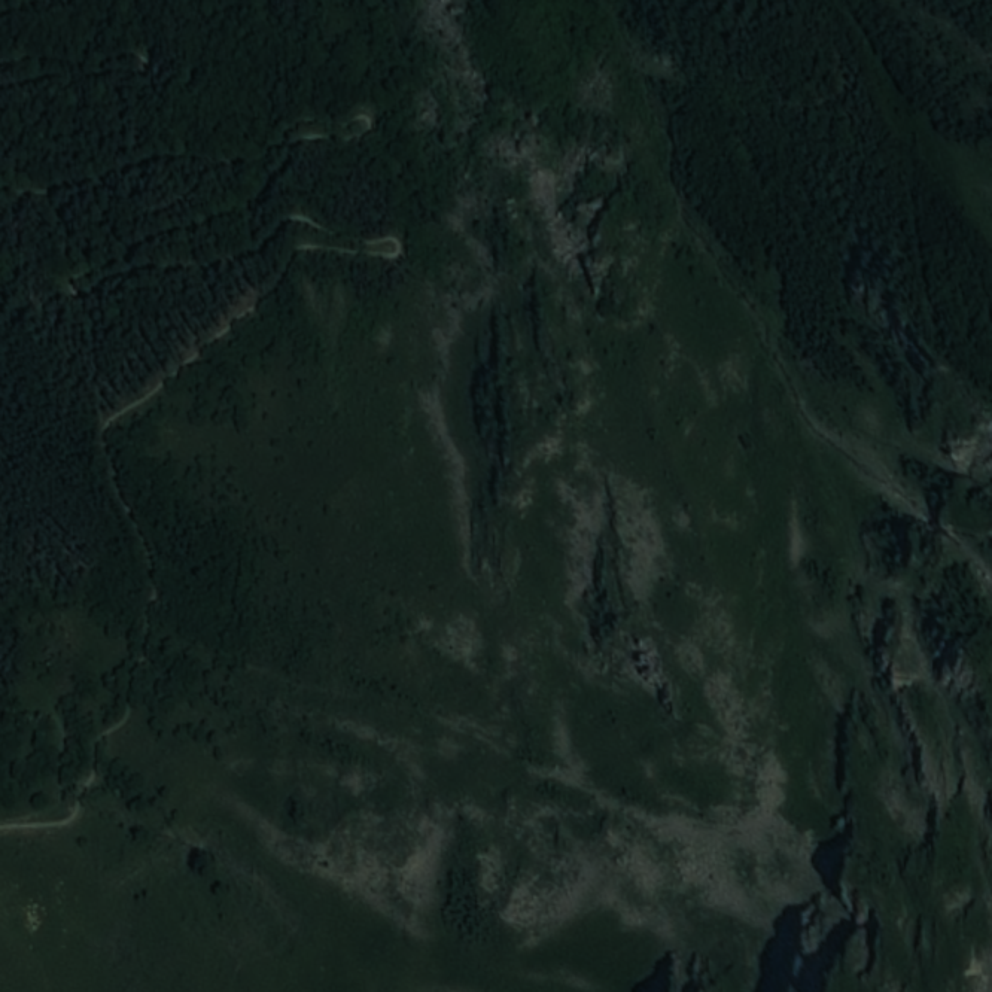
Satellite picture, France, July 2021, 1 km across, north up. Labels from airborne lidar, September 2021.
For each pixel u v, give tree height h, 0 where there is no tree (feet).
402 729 0
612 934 0
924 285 51
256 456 0
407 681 0
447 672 0
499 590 0
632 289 34
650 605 0
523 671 0
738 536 0
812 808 0
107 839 0
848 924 0
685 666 0
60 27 73
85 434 39
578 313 0
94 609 28
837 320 27
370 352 0
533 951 0
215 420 24
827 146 64
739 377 0
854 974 0
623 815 0
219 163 41
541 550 0
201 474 25
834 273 42
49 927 0
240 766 0
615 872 0
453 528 0
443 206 19
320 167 53
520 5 35
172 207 75
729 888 0
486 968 0
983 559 0
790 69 52
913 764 0
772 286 0
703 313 0
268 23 51
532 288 31
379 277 27
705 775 0
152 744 0
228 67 82
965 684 0
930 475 30
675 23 63
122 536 37
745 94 59
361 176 50
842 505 0
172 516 21
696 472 0
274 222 44
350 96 68
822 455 0
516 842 0
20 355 85
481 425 25
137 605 37
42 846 0
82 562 79
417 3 33
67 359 89
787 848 0
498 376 20
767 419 0
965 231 63
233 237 65
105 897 0
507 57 21
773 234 58
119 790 28
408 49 35
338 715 0
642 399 0
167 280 64
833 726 0
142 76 69
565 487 0
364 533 0
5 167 91
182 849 0
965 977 0
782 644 0
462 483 0
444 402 0
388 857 0
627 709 0
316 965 0
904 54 67
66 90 73
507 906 0
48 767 36
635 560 0
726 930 0
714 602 0
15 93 75
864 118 65
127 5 69
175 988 0
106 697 0
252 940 0
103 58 52
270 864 0
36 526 86
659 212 22
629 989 0
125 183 78
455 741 0
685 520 0
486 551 0
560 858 0
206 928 0
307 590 0
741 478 0
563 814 0
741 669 0
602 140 30
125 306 83
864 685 0
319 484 0
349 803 0
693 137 45
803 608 0
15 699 23
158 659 30
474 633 0
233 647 29
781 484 0
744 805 0
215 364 38
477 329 0
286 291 37
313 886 0
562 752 0
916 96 57
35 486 96
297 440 0
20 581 79
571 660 0
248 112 81
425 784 0
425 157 19
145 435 33
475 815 0
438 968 0
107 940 0
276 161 40
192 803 0
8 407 89
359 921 0
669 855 0
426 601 0
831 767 0
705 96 41
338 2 36
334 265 20
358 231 32
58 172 89
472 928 24
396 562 0
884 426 0
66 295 32
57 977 0
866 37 22
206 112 73
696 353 0
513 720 0
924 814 0
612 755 0
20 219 45
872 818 0
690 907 0
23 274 57
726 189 52
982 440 0
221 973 0
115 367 67
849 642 0
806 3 77
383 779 0
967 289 55
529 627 0
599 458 0
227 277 60
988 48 34
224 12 73
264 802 0
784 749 0
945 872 0
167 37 71
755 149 58
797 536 0
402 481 0
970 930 0
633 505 0
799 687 0
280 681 0
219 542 18
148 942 0
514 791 0
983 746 0
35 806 28
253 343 19
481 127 20
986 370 51
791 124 57
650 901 0
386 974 0
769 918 0
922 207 68
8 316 89
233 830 0
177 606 32
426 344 0
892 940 0
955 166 0
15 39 60
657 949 0
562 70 26
